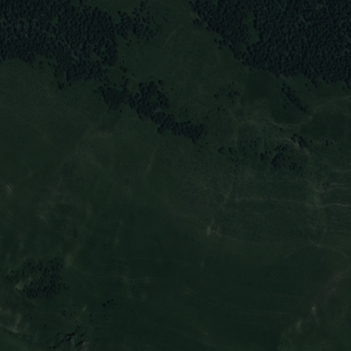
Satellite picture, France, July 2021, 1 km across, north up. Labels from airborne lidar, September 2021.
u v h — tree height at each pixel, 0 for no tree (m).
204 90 0
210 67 0
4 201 0
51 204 0
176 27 0
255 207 0
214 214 0
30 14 18
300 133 0
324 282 0
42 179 0
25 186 0
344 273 0
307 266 0
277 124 0
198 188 0
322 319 0
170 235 0
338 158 0
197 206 0
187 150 0
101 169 0
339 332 0
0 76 0
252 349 0
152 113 25
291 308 0
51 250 0
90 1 0
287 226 0
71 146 0
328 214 0
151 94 23
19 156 0
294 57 31
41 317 0
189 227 0
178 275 0
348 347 0
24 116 0
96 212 0
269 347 0
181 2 0
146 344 0
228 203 0
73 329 0
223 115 0
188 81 0
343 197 0
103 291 0
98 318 0
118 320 0
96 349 0
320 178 0
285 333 0
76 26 19
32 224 0
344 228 0
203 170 0
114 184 0
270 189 0
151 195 0
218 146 0
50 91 0
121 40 0
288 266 0
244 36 30
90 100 0
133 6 0
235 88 0
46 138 0
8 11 26
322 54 8
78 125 0
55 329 0
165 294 0
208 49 0
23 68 0
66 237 0
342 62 26
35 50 16
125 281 0
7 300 0
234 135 0
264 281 0
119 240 0
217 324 0
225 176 0
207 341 0
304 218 0
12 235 0
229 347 0
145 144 0
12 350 0
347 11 29
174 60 0
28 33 10
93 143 0
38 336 0
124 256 0
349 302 0
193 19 0
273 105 0
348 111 0
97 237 0
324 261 0
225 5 35
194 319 0
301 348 0
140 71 0
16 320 0
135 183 0
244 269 0
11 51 26
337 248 0
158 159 0
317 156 0
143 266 0
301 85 0
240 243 0
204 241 0
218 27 29
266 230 0
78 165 0
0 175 0
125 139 0
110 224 0
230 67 0
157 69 0
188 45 0
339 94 0
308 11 11
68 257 0
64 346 0
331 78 16
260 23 27
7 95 0
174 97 0
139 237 0
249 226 0
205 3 16
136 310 0
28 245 0
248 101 0
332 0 15
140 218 0
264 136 0
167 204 0
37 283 9
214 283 0
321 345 0
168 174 0
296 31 21
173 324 0
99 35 21
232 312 0
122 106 0
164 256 0
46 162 0
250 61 28
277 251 0
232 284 0
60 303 0
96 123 0
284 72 15
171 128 12
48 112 0
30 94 0
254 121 0
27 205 0
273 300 0
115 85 13
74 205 0
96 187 0
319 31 29
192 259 0
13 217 0
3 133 0
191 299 0
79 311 0
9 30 20
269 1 12
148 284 0
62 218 0
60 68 15
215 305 0
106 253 0
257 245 0
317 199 0
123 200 0
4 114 0
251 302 0
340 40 9
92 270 0
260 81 0
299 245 0
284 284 0
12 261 0
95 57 0
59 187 0
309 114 0
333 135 0
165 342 0
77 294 0
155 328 0
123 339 0
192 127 14
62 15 12
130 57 0
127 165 0
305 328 0
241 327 0
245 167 0
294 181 0
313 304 0
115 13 0
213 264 0
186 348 0
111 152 0
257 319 0
